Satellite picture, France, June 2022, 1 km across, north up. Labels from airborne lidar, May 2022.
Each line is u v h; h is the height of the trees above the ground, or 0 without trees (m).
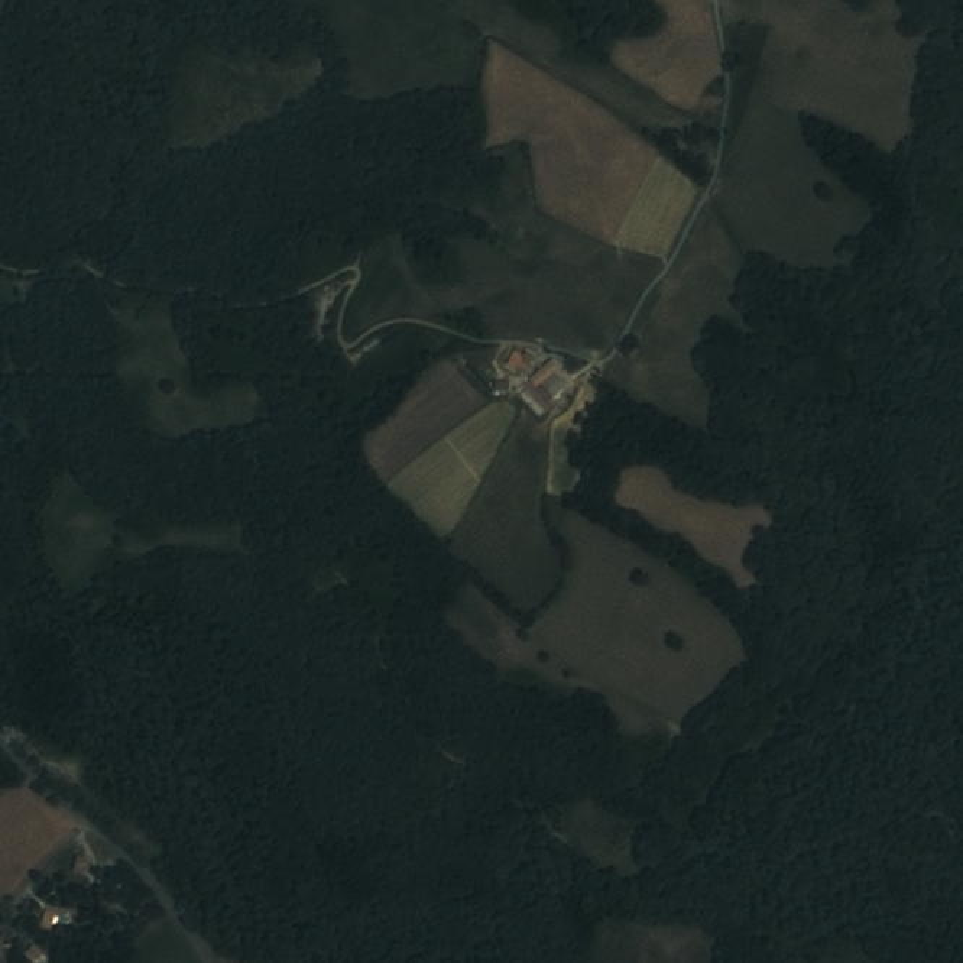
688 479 21
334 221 22
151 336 0
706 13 0
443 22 0
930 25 18
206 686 23
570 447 15
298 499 20
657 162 0
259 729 24
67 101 27
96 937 16
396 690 14
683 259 0
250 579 8
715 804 21
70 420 19
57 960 21
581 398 0
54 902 18
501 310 0
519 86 0
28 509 22
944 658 16
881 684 25
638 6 14
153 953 0
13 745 12
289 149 20
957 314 27
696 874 24
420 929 24
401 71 0
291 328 9
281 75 0
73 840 0
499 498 0
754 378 24
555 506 0
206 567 17
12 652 8
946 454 7
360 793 22
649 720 0
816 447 26
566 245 0
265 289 21
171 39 27
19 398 20
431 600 17
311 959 9
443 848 26
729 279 0
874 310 14
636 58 0
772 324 22
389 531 20
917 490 21
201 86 0
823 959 8
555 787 22
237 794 28
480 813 22
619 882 17
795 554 24
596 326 0
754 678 17
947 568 22
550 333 0
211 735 23
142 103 27
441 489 0
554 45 0
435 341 0
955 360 28
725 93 13
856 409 25
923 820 17
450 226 22
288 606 16
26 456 23
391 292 0
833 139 19
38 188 21
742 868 21
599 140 0
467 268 0
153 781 23
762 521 0
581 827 0
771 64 0
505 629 0
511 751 23
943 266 11
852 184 20
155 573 21
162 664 23
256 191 21
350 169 19
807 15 0
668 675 0
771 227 0
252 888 25
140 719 22
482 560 0
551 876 19
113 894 19
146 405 0
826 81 0
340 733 21
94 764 10
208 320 18
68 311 18
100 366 18
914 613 20
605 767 23
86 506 0
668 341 0
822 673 21
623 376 0
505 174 10
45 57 28
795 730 12
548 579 0
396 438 0
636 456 24
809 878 19
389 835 24
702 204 0
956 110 19
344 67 19
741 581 0
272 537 18
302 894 26
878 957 18
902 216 24
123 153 24
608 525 14
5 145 19
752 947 18
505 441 0
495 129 0
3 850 0
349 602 13
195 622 25
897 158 10
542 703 21
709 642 0
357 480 18
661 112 0
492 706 16
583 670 0
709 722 23
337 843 19
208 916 26
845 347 19
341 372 16
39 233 23
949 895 9
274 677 24
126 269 18
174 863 20
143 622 9
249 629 22
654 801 14
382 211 16
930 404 21
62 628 8
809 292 16
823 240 0
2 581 26
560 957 26
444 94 16
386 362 0
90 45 31
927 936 20
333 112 15
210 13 10
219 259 20
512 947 23
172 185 22
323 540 15
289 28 20
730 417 21
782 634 17
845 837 13
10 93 19
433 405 0
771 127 0
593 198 0
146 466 19
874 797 20
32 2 23
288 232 17
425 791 14
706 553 0
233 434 13
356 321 0
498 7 0
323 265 0
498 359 0
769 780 8
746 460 23
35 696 12
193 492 24
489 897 25
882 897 18
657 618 0
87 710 26
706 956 0
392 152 19
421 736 17
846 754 25
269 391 19
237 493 22
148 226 19
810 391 23
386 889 29
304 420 17
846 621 9
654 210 0
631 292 0
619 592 0
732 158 0
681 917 16
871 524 17
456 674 16
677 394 0
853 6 14
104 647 23
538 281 0
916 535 26
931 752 18
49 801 10
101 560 0
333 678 21
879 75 0
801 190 0
